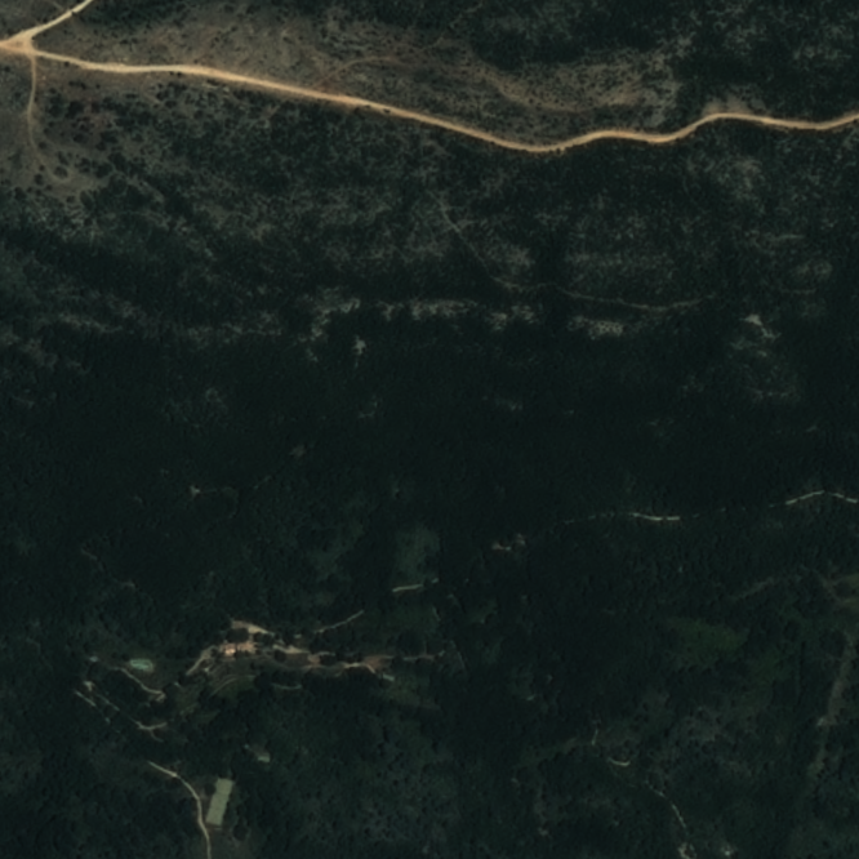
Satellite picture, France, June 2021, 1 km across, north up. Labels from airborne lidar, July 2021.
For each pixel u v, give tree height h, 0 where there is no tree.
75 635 6
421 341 10
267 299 6
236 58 0
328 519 12
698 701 8
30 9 0
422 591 7
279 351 6
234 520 11
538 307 6
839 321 11
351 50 0
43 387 10
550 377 15
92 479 15
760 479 12
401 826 12
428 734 14
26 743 12
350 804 8
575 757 16
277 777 8
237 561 8
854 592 10
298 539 12
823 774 12
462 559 17
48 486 14
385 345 10
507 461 14
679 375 10
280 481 13
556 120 6
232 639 16
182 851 6
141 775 8
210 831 0
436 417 12
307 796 8
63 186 0
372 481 12
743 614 13
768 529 5
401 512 10
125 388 14
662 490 11
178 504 11
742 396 9
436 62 0
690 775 8
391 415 12
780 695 14
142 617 10
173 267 6
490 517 17
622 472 11
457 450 17
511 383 14
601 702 14
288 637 13
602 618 15
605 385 10
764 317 6
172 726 8
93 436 14
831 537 10
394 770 16
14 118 0
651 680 10
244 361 9
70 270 11
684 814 6
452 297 5
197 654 15
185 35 0
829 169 7
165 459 12
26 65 0
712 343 13
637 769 7
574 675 14
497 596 14
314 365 9
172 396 11
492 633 15
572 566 15
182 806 15
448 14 6
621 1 6
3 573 14
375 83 0
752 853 13
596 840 16
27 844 19
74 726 9
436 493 13
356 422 8
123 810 9
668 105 0
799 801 11
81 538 13
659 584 11
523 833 14
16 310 9
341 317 12
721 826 13
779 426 10
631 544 10
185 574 14
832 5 5
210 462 12
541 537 12
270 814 18
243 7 0
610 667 10
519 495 14
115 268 11
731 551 14
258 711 12
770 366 6
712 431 13
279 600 10
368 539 13
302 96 0
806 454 12
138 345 11
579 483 13
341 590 13
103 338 10
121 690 12
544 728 13
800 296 7
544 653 16
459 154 6
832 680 10
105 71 0
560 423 13
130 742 11
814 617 10
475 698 13
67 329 8
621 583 12
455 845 10
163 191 7
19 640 7
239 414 10
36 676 9
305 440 13
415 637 12
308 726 8
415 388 12
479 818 11
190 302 7
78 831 13
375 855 13
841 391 11
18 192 7
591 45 6
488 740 14
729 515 14
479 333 10
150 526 9
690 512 12
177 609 13
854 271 8
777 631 14
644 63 0
